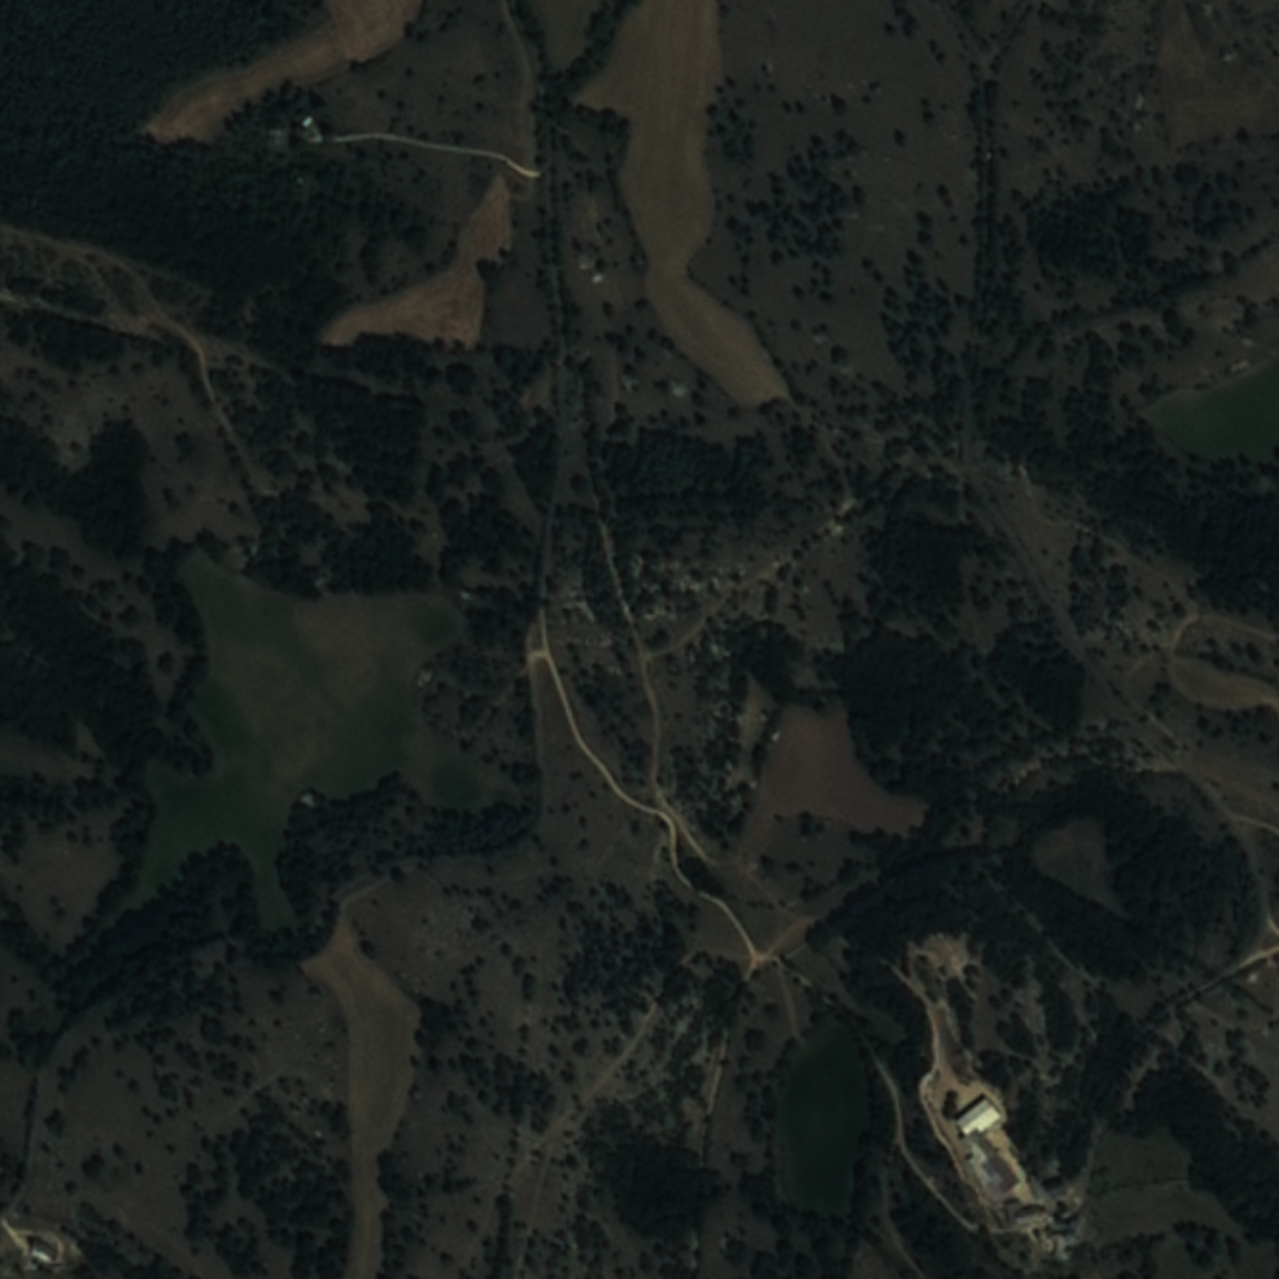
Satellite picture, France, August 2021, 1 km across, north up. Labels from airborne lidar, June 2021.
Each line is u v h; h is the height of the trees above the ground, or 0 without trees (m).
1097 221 12
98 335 13
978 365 7
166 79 16
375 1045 0
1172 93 0
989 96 9
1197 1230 10
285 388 9
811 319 0
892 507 12
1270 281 0
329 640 0
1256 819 0
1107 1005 9
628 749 11
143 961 12
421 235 9
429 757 0
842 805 0
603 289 0
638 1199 16
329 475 12
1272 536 12
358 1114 0
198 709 0
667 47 0
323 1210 12
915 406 9
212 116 0
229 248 12
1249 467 14
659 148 0
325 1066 0
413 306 0
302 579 10
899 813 0
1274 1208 7
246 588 0
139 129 14
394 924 0
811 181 12
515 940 0
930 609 10
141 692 16
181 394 0
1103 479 12
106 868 0
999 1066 8
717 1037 8
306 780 0
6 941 10
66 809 10
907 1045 7
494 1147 0
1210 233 13
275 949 15
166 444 0
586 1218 7
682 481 13
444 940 0
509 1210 7
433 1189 10
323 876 6
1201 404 0
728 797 7
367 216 10
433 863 8
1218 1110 11
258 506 9
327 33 0
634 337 7
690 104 0
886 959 8
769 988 0
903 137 10
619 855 0
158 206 15
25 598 8
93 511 19
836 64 0
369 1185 0
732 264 0
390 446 12
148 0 17
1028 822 8
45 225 9
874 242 0
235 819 0
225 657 0
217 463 0
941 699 14
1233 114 0
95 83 17
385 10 0
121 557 15
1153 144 0
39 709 16
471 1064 12
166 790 0
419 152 0
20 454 11
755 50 0
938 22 0
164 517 0
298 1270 9
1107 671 0
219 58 17
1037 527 0
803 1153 0
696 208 0
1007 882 11
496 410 10
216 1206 8
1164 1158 0
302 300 14
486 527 15
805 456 9
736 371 0
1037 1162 7
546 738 0
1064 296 7
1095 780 10
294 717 0
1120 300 7
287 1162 6
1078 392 9
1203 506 8
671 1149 8
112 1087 0
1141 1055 11
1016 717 8
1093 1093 7
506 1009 0
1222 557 9
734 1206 0
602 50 6
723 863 0
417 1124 0
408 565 14
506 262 7
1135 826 12
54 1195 0
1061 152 0
